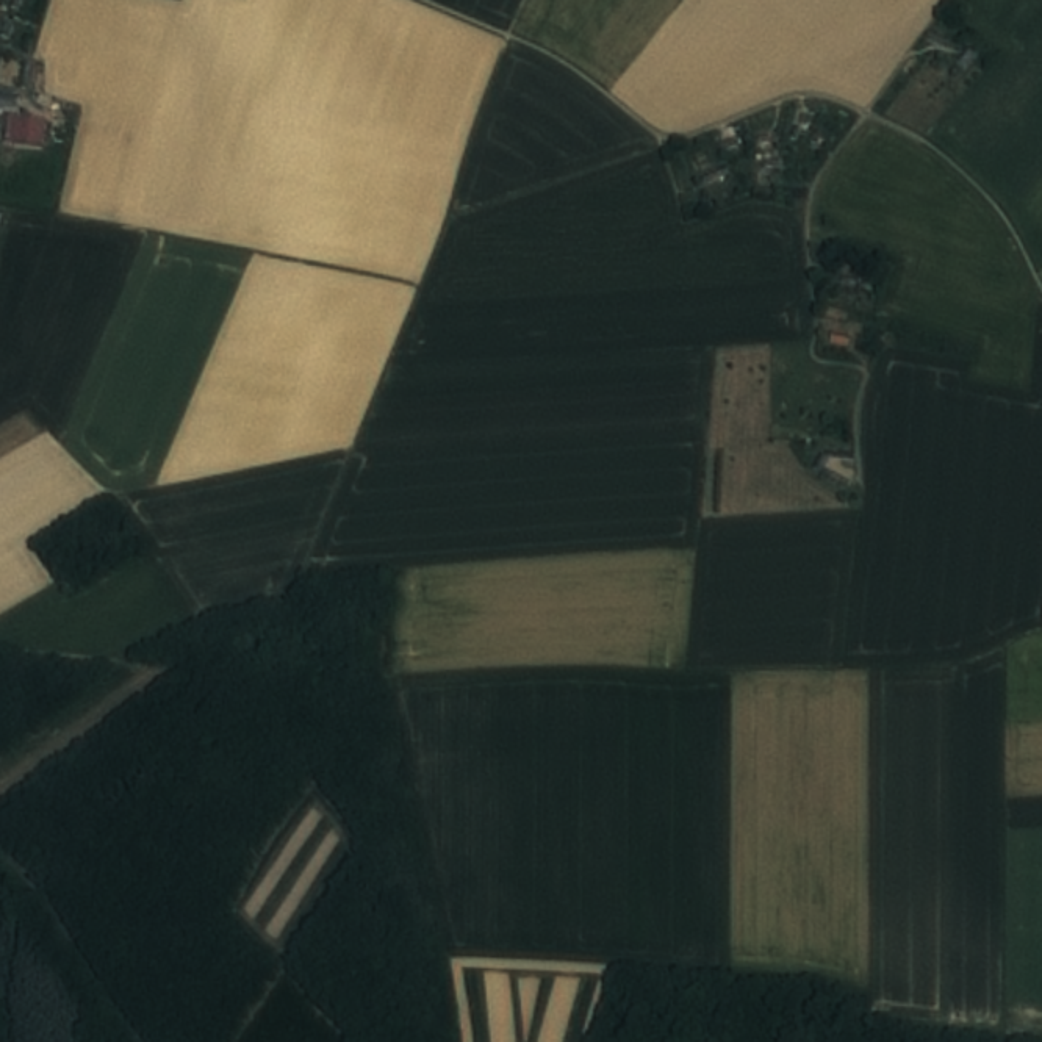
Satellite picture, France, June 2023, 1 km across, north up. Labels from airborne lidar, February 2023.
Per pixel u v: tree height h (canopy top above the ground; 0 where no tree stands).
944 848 0
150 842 20
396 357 0
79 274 0
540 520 0
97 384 0
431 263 0
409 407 0
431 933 20
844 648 0
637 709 0
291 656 23
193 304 0
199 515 0
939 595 0
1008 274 0
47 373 0
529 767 0
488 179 0
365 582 15
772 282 0
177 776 21
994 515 0
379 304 0
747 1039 26
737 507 0
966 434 0
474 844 0
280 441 0
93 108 0
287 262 0
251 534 0
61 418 0
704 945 0
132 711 14
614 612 0
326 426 0
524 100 0
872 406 0
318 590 16
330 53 0
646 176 0
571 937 0
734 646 0
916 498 0
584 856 0
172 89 0
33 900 21
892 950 0
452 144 0
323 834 0
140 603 0
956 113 0
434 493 0
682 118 0
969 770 0
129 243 0
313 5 0
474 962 0
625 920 0
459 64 0
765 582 0
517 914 0
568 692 0
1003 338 0
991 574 0
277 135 0
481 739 0
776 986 20
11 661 17
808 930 0
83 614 0
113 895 24
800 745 0
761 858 0
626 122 0
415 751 0
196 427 0
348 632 24
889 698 0
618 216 0
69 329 0
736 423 0
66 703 12
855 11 0
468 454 0
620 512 0
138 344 0
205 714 25
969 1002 0
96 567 14
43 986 18
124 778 19
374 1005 26
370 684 22
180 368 0
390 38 0
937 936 0
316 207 0
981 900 0
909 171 0
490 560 0
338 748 23
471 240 0
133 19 0
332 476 0
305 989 24
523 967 0
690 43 0
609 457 0
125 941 22
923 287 0
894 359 0
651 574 0
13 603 0
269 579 0
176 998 22
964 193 0
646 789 0
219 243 0
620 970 17
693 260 0
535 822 0
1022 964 0
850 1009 22
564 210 0
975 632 0
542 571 0
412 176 0
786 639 0
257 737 19
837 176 0
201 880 22
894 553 0
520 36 0
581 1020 0
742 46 0
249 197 0
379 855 24
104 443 0
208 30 0
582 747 0
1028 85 0
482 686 0
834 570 0
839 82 0
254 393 0
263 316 0
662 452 0
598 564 0
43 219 0
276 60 0
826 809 0
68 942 11
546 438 0
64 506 0
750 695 0
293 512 0
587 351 0
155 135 0
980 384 0
